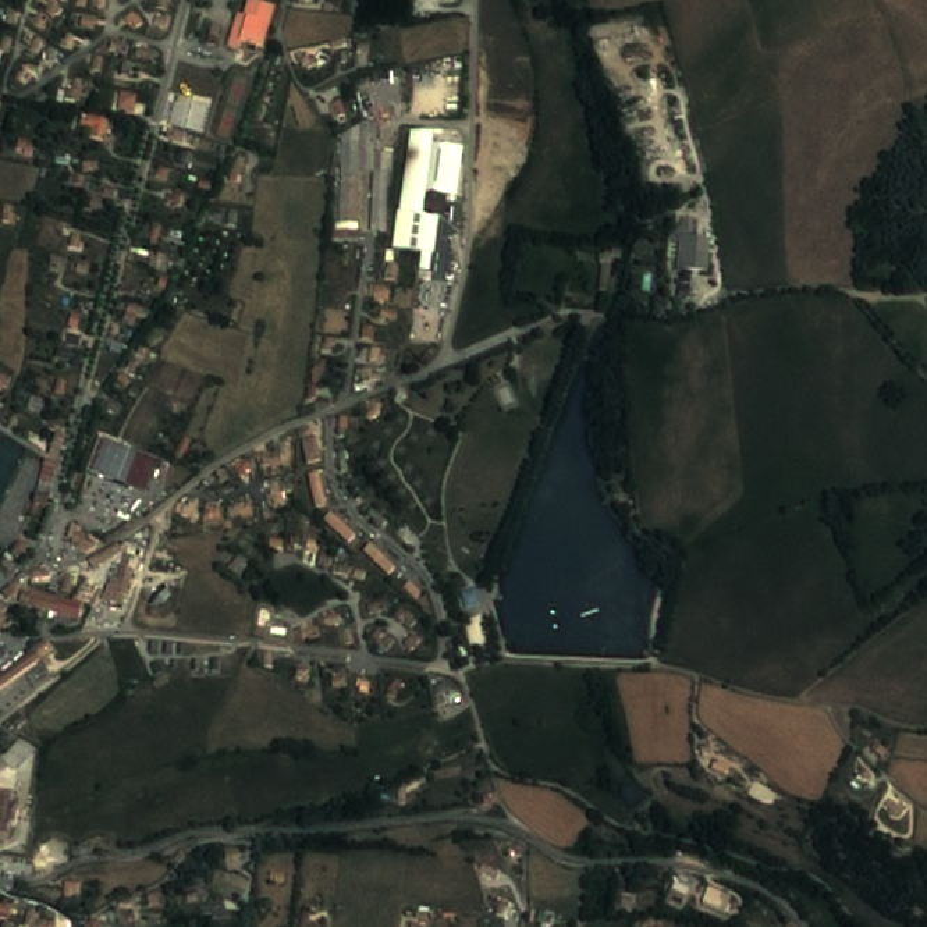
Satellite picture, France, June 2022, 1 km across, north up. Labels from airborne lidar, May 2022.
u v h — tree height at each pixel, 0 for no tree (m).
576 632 0
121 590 0
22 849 0
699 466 0
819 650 0
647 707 0
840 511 23
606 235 18
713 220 7
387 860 0
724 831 29
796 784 0
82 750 0
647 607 0
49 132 7
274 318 0
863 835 15
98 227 7
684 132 0
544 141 0
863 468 0
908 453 0
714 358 0
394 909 0
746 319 0
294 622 0
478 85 0
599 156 27
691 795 23
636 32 0
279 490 0
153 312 11
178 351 0
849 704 0
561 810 0
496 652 22
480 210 0
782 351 0
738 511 0
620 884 11
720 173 0
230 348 0
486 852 0
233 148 10
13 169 0
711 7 0
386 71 6
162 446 6
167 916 7
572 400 0
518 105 0
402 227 0
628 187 25
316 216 0
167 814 0
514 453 0
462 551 0
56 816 0
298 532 0
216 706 0
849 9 0
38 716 0
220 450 0
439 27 0
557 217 0
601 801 0
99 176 7
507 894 0
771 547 0
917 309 0
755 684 0
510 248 16
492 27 0
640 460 0
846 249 0
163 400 0
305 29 0
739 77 0
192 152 0
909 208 11
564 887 0
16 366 0
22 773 0
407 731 0
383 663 0
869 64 0
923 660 0
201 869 6
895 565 0
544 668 0
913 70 0
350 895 0
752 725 0
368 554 0
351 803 9
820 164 0
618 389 28
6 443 0
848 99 0
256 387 0
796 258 0
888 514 0
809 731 0
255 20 0
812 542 0
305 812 24
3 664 0
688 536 0
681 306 7
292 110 0
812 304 0
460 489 0
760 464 0
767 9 0
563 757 0
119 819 0
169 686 0
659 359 0
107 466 0
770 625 0
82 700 0
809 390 0
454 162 0
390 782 7
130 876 0
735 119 0
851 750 9
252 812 0
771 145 0
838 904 14
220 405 0
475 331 0
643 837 9
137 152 8
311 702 0
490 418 0
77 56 0
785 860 10
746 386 0
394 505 7
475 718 0
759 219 0
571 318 10
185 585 0
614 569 0
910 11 0
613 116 24
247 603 0
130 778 0
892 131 0
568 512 0
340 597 13
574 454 0
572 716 0
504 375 7
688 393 0
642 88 0
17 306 0
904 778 0
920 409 0
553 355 0
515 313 0
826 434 0
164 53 0
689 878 0
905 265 12
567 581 0
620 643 0
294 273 0
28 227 0
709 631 0
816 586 0
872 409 0
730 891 9
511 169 0
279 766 0
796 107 0
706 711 0
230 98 0
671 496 0
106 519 0
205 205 10
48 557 0
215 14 0
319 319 0
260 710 0
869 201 13
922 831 0
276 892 0
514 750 0
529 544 0
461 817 0
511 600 0
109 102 0
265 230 0
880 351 0
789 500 0
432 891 0
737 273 0
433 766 8
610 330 18
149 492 0
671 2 0
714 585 0
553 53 0
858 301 9
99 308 9
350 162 0
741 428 0
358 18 8
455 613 9
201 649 0
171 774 0
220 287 14
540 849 0
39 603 0
